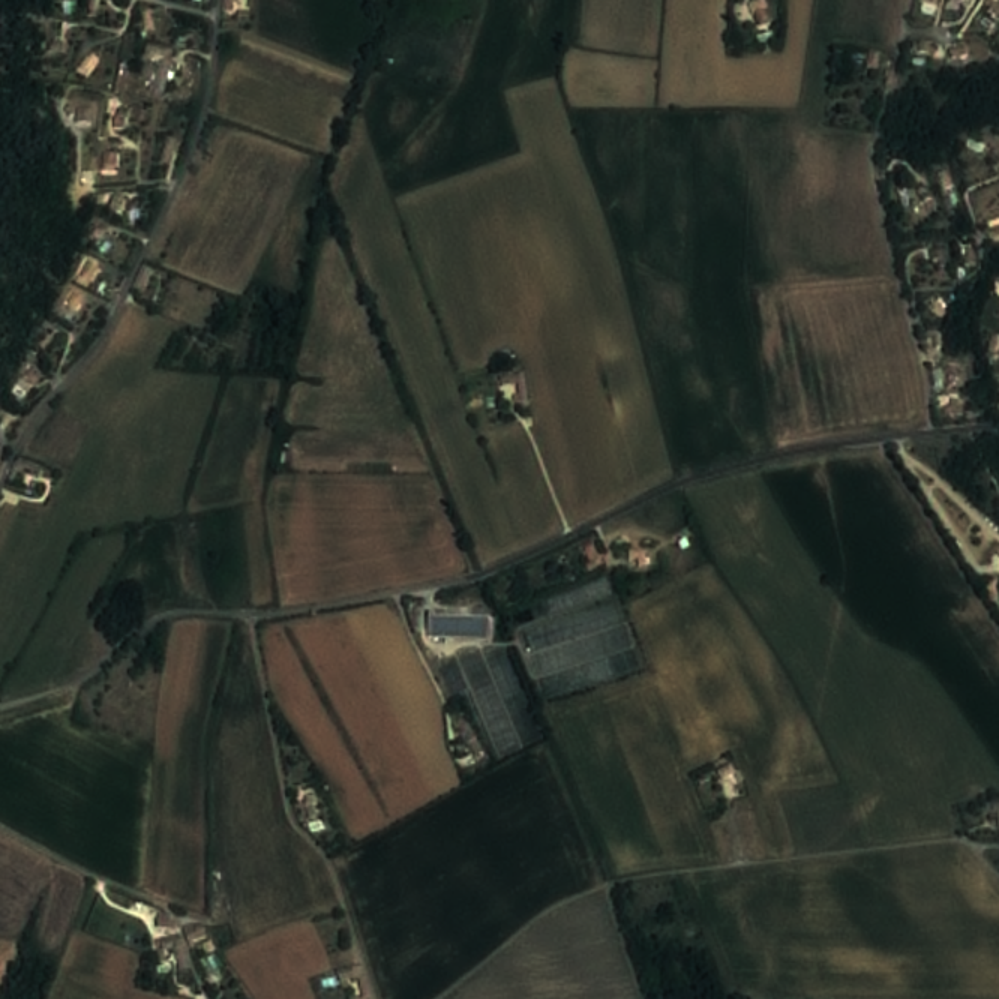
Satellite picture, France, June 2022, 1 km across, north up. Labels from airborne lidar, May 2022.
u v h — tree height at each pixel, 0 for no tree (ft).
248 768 0
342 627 0
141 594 50
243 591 0
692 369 0
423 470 0
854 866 0
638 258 0
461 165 0
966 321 33
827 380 0
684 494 0
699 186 0
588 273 0
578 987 0
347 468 0
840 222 0
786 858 0
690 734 0
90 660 0
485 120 0
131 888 0
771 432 0
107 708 0
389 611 0
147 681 0
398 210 0
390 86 0
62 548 0
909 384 0
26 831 0
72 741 0
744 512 0
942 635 0
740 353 0
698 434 0
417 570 0
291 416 0
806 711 0
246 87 0
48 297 37
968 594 0
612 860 0
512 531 0
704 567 0
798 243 0
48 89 27
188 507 0
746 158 0
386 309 0
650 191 0
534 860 0
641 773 0
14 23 33
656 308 0
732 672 0
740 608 0
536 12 0
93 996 0
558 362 0
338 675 0
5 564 0
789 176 0
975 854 0
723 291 0
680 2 0
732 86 0
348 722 0
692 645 0
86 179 0
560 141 0
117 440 0
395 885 0
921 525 0
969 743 0
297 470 0
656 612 0
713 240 0
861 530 0
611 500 0
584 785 0
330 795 20
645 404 0
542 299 0
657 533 0
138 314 0
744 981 0
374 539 0
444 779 0
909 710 0
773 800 0
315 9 0
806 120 0
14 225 25
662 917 41
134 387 0
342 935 30
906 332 0
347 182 0
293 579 0
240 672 0
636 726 0
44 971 31
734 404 0
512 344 0
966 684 0
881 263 0
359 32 0
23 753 0
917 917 0
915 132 24
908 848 0
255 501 0
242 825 0
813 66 0
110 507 0
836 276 0
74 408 0
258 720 0
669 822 0
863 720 0
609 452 0
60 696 0
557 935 0
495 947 0
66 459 0
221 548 0
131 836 0
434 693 0
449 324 0
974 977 0
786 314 0
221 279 0
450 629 0
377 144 0
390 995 0
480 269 0
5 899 0
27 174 44
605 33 0
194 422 0
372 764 0
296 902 0
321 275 0
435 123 0
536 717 29
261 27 0
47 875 0
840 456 0
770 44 32
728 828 0
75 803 0
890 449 55
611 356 0
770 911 0
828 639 0
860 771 0
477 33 0
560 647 0
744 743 0
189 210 0
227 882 0
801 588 0
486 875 0
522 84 0
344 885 0
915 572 0
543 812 0
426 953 0
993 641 0
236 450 0
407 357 0
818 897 0
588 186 0
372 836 25
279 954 0
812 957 0
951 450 25
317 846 27
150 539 0
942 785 0
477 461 0
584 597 0
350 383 0
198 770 0
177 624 0
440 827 0
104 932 0
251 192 0
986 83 35
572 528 0
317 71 0
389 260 0
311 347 0
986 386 46
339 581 0
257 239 0
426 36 0
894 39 0
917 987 0
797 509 0
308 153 27
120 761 0
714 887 0
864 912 0
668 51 0
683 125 0
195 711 0
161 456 0
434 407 0
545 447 0
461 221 0
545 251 0
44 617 0
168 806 0
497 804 0
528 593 21
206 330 24
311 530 0
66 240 31
